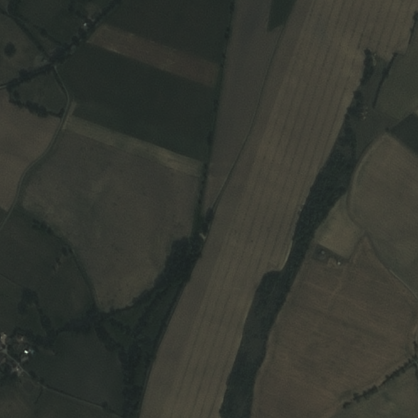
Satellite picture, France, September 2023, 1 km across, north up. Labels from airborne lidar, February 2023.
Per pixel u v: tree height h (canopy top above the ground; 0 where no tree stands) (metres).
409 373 0
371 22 0
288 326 0
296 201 0
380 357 0
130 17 0
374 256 0
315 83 0
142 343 20
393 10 0
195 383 0
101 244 0
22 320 0
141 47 0
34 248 0
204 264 0
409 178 0
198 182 0
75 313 0
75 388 0
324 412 0
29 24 0
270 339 0
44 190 0
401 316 0
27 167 0
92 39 0
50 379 0
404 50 0
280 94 0
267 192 0
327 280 0
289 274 9
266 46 0
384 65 0
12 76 0
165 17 0
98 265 0
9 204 0
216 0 0
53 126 0
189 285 0
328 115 0
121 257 0
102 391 0
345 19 0
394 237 0
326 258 0
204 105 0
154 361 0
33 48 0
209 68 0
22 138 0
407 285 0
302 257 8
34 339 18
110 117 0
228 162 0
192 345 0
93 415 0
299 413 0
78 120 0
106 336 19
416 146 0
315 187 8
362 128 0
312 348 0
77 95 0
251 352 0
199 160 0
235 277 0
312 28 0
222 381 0
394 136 0
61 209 0
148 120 0
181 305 0
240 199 0
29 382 0
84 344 0
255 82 0
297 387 0
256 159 0
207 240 0
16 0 12
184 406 0
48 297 0
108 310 0
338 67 0
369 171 0
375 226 0
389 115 0
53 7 0
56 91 0
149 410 0
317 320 0
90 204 0
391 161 0
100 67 0
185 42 0
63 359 0
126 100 0
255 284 0
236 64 0
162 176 0
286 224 0
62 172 0
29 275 0
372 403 0
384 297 0
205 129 0
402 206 0
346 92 0
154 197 0
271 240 0
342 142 9
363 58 0
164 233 0
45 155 0
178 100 0
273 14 0
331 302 0
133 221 0
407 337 0
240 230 0
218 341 0
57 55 19
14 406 0
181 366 0
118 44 0
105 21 0
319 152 0
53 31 0
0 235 0
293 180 0
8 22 0
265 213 0
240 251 0
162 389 0
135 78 0
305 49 0
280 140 0
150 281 0
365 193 0
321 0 0
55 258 0
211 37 0
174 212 0
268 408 0
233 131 0
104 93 0
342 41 0
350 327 0
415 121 0
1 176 0
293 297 0
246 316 0
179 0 0
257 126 0
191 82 0
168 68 0
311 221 9
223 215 0
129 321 0
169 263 9
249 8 0
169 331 0
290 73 0
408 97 0
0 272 0
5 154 0
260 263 0
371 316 0
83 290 0
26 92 0
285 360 0
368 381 0
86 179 0
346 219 0
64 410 0
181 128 0
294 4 0
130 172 0
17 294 0
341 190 8
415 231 0
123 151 0
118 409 0
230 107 0
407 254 0
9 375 8
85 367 0
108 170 0
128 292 0
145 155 0
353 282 0
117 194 0
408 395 0
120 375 0
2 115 0
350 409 0
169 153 0
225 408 7
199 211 0
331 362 0
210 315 0
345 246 0
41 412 0
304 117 0
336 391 0
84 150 0
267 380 0
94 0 0
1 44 0
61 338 0
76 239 0
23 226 0
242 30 0
